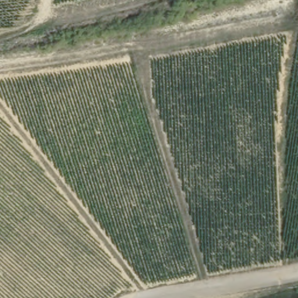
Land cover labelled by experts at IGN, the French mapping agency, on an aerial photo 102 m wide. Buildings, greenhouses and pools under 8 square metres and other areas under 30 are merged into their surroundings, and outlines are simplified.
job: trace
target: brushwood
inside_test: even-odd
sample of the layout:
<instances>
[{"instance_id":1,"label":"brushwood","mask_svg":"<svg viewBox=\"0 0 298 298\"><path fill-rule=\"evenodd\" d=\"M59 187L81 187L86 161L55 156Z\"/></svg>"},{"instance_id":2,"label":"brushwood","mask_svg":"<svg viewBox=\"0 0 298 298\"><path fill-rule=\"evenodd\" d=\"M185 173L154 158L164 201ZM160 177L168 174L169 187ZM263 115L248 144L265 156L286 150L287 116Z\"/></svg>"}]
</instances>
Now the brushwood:
<instances>
[{"instance_id":1,"label":"brushwood","mask_svg":"<svg viewBox=\"0 0 298 298\"><path fill-rule=\"evenodd\" d=\"M95 21L83 26L62 28L62 24L57 24L51 17L47 22L37 26L27 31L19 34L20 38L43 35L41 42L30 44L31 50L40 50L44 54L52 50L68 52L72 48L79 50L85 42L101 37L106 31L136 31L146 26L150 29L163 28L177 22L191 22L213 10L221 13L223 10L240 8L251 0L154 0L144 3L136 13L126 17L115 17L112 21Z\"/></svg>"}]
</instances>

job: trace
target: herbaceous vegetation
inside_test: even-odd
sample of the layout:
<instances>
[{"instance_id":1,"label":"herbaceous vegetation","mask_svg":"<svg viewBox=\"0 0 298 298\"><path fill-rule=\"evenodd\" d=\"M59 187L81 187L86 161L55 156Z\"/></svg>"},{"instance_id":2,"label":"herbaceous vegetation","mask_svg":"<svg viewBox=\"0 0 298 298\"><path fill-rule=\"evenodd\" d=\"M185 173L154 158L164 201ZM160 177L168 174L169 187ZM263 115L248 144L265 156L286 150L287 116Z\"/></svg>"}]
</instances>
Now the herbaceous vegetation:
<instances>
[{"instance_id":1,"label":"herbaceous vegetation","mask_svg":"<svg viewBox=\"0 0 298 298\"><path fill-rule=\"evenodd\" d=\"M143 283L132 265L116 248L111 237L106 234L105 229L94 219L77 193L65 182L64 176L59 173L54 162L50 161L29 130L17 119L12 107L0 97L0 118L6 121L10 134L19 137L22 146L42 170L48 170L44 175L52 183L59 185L56 190L62 194L74 212L79 211L81 215L78 219L87 228L92 228L88 232L130 284L130 293L205 279L208 269L204 264L204 254L200 251L196 226L193 225L189 214L189 204L186 203L185 192L182 190L182 180L175 168L168 135L164 130L163 120L159 119L159 109L156 108L156 100L152 94L154 79L151 74L151 61L268 38L270 43L279 48L284 47L284 43L289 45L290 57L286 59L285 65L286 71L290 72L291 56L296 47L298 34L298 0L251 0L240 8L223 10L221 13L213 10L191 22L177 22L163 28L150 29L146 26L136 31L106 31L101 37L85 42L79 50L72 48L68 52L52 50L44 54L40 50L31 50L30 44L41 42L43 35L20 38L19 34L27 31L27 27L23 27L0 35L0 80L135 63L136 76L140 80L143 98L146 101L152 133L165 166L165 176L168 179L165 187L170 187L176 198L184 223L186 241L189 242L193 264L197 268L190 276Z\"/></svg>"},{"instance_id":2,"label":"herbaceous vegetation","mask_svg":"<svg viewBox=\"0 0 298 298\"><path fill-rule=\"evenodd\" d=\"M41 0L34 17L37 26L47 22L51 17L57 24L62 24L62 28L83 26L95 21L112 21L115 17L126 17L136 13L144 3L154 0Z\"/></svg>"},{"instance_id":3,"label":"herbaceous vegetation","mask_svg":"<svg viewBox=\"0 0 298 298\"><path fill-rule=\"evenodd\" d=\"M239 290L237 295L223 293L222 296L208 298L298 298L298 281L263 286L260 289Z\"/></svg>"}]
</instances>

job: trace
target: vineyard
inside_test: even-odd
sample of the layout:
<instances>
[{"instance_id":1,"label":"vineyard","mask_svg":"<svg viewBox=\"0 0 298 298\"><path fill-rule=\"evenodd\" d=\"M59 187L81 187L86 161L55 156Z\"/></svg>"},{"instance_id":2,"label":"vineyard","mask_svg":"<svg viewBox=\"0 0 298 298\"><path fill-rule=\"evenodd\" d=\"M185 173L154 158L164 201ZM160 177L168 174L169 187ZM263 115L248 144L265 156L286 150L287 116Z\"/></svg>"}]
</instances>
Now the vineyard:
<instances>
[{"instance_id":1,"label":"vineyard","mask_svg":"<svg viewBox=\"0 0 298 298\"><path fill-rule=\"evenodd\" d=\"M190 276L197 268L193 264L189 242L186 241L184 223L176 198L170 187L165 187L168 179L165 176L165 166L152 133L146 101L143 98L140 80L136 76L135 63L0 80L0 97L12 107L17 119L29 130L50 161L54 162L59 173L64 176L65 182L77 193L94 219L105 229L106 234L111 237L116 248L132 265L143 283Z\"/></svg>"},{"instance_id":2,"label":"vineyard","mask_svg":"<svg viewBox=\"0 0 298 298\"><path fill-rule=\"evenodd\" d=\"M37 26L34 17L41 0L0 0L0 35L23 27L27 27L27 31Z\"/></svg>"},{"instance_id":3,"label":"vineyard","mask_svg":"<svg viewBox=\"0 0 298 298\"><path fill-rule=\"evenodd\" d=\"M154 79L152 94L156 100L156 108L159 109L159 119L163 120L164 130L168 135L175 168L182 180L182 190L185 192L186 203L189 204L189 214L193 225L196 226L200 251L204 254L204 264L208 269L205 279L282 269L284 265L298 263L298 34L296 47L291 56L290 72L286 71L285 65L286 59L290 57L289 45L284 43L284 47L279 48L270 43L268 38L151 61L151 74Z\"/></svg>"},{"instance_id":4,"label":"vineyard","mask_svg":"<svg viewBox=\"0 0 298 298\"><path fill-rule=\"evenodd\" d=\"M44 175L48 170L42 170L22 146L19 137L10 134L6 121L0 118L0 298L120 298L130 293L130 284L88 232L92 228L87 228L78 219L81 215L79 211L74 212L62 194L56 190L59 185L52 183Z\"/></svg>"}]
</instances>

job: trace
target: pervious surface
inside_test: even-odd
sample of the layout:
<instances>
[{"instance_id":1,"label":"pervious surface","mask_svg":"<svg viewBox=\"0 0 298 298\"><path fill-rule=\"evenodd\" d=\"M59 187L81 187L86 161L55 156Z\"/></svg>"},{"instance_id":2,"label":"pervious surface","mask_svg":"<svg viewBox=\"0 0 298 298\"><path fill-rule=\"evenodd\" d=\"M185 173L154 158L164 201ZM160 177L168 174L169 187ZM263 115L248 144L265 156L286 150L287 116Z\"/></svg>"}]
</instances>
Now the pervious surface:
<instances>
[{"instance_id":1,"label":"pervious surface","mask_svg":"<svg viewBox=\"0 0 298 298\"><path fill-rule=\"evenodd\" d=\"M282 269L205 279L130 293L120 298L208 298L222 296L223 293L237 295L239 290L260 289L263 286L298 281L298 263L284 265Z\"/></svg>"}]
</instances>

